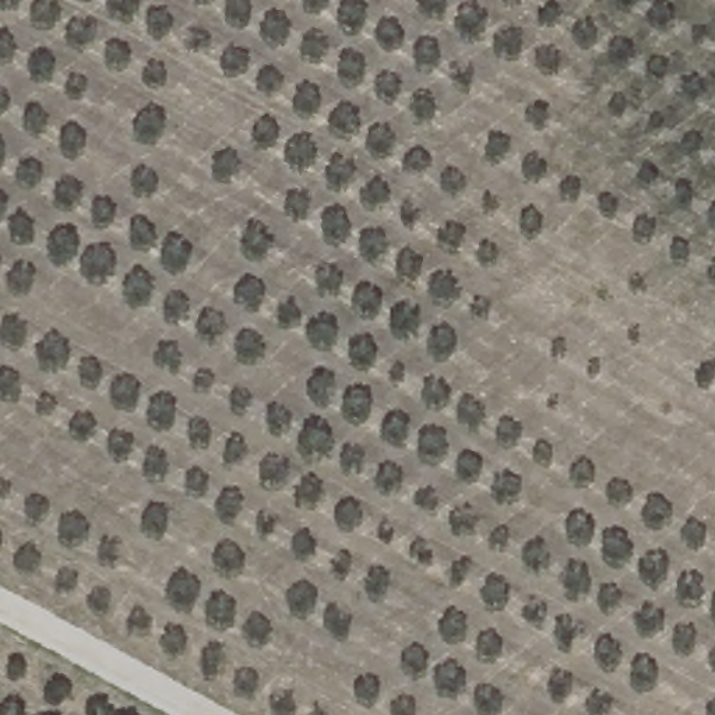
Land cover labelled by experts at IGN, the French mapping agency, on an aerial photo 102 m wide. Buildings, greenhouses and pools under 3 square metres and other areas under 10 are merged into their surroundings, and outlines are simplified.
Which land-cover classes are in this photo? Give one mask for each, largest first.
<instances>
[{"label":"plowed land","instance_id":"1","mask_svg":"<svg viewBox=\"0 0 715 715\"><path fill-rule=\"evenodd\" d=\"M34 0H0V134L6 140L8 159L22 162L34 156L42 162V179L36 187L22 184L17 176H3L0 170V324L11 313L25 321L22 346H8L0 338V366H11L20 371V399H0V587L25 600L39 603L56 617L89 631L92 637L165 673L182 687L201 693L204 698L215 701L218 707L235 715H480L475 707L478 684H494L503 693V709L497 715H589L587 698L598 690L612 695V709L606 715H715V547L709 542H701L698 547H690L681 536V528L690 517L709 522L715 517V263H709L704 254L673 260L670 237L662 232L651 240H634V218L651 215L654 207L673 198L676 184L651 182L642 187L637 179L640 168L634 162L609 168V156L620 151V145L626 142L623 131L634 120H648L656 109L651 106V101H642L637 109L612 115L609 101L614 92L626 89V84L617 75H612L606 84H600V89H587L584 81L592 73V61L609 50V42L614 36H631L634 56L642 61H648V56L654 53L668 56V75H676L679 81L690 73L709 75L715 70V53L709 56L698 39H693V28L687 22L673 20L668 28H656L654 22H648V17H640L634 8L620 11L614 0H478L486 8V25L478 39H466L458 31L455 20L458 6L466 0H366L363 28L355 31L338 22L341 0H251L249 22L235 25L226 17V0H140L131 20H117L106 6L109 0H59L61 14L53 22V28H36L31 22ZM151 6H168V11L173 14V28L159 39L148 31L145 22ZM274 8L285 11L290 20V31L282 45H274L260 34L263 17ZM73 17H95V39L87 47H75L64 36L67 22ZM383 17H394L405 28V36L394 50L383 47L374 36L377 22ZM581 17H592L598 31V39L584 47L573 39V25ZM511 25L522 31V50L517 59L500 56L494 50V34ZM313 28H321L327 34V53L321 56V61H313L302 53V39ZM419 36L438 39L441 59L436 67L413 61V45ZM109 39H126L131 45V59L126 67L106 64L103 53ZM229 45L249 47V67L237 75H226L221 67V53ZM545 45L561 53L559 73H545L536 67L533 56ZM36 47L53 50L56 67L50 81H36L28 70V59ZM346 47L360 50L366 59V73L360 84L341 81L338 75V59ZM151 59L165 61V84H145L142 70ZM265 64H277L282 73V84L277 92H263L257 87V73ZM383 70H394L402 78V89L394 101L380 98L374 89L377 73ZM302 81H313L321 89V106L316 109V115H299L293 109V95ZM419 89L433 92L436 112L430 120H419L411 109V101ZM31 101L42 103V109L47 112V126L42 134H31L22 123V112ZM344 101L360 106V126L355 134L346 137L327 126L332 109ZM148 103L165 106V131L156 137V142H140L134 134V117ZM263 115H274L279 123V137L271 148L257 145L251 137V128ZM64 123H78L87 131V145L78 156L61 154L59 131ZM374 123H388L394 128V148L388 156H377L366 145L369 128ZM302 131L313 134L316 159L307 168H293L285 159V148L290 137ZM492 131H503L511 137V148L500 162L486 159V142ZM413 145H425L430 151V165L425 170H408L402 165L405 151ZM221 148H235L240 156V170L226 182H218L212 173V156ZM533 151L547 162V173L542 179H528L522 170V159ZM332 154H344L358 165L352 182L341 190L330 187L327 182V165ZM137 165H148L159 176V184L151 196H137L131 187V170ZM450 165L458 168L466 179V187L458 196L447 193L438 182L441 170ZM64 176H75L84 184L78 204L70 209L59 207L53 198L56 182ZM374 176H383L391 190L388 201H383L380 207H371L360 198V190ZM288 190H307L310 209L324 212L327 207L344 204L349 212L346 240L327 243L324 235L316 237V232H310L304 221L288 215ZM95 196H112L117 204L115 221L109 226L92 223ZM522 207H536L542 212V232L533 237H525L519 229ZM17 209H25L34 218L31 243H20L8 232V221ZM134 215H145L156 223V237L151 249L131 246L128 223ZM249 221L265 223L274 235V246L260 260L243 254L240 237ZM447 221H458L466 226V235L458 249L438 243V229ZM59 223H73L78 232L73 260L64 265H56L47 251L50 229ZM369 226H383L388 237V249L377 260H366L360 251V232ZM168 232H179L193 243L190 263L182 271H168L159 260ZM103 240H109L117 254L115 271L106 279H87L81 271L84 251L89 243ZM408 246L422 254V271L416 279L397 271V254ZM17 260H31L36 265V277L28 293H14L6 282ZM321 263L341 265L344 285L338 288V293L318 290L316 268ZM134 265H145L154 277L151 299L140 307L128 304L123 296V279ZM436 271H452V277L458 279L455 299L430 296L427 285ZM246 274H254L265 282V296L257 310H249L243 302L235 299V285ZM358 282H374L383 288L377 316H369L352 304ZM170 290H184L190 299V307L179 321H168L162 310L165 296ZM399 302L419 307V327L408 338H397L391 330V307ZM204 307L223 310L226 316V330L215 341L201 338L196 330L198 313ZM318 313H332L338 321V338L330 349H316L307 338V324ZM436 324H450L455 330V352L444 360L433 358L427 346L430 330ZM50 330H59L70 341V358L56 371H45L36 358V344ZM240 330H254L265 341V352L254 363H243L235 352V338ZM360 332H371L377 344V358L369 369H358L349 360V341ZM159 341L179 344V371H170L154 360ZM89 355L101 360V380L95 388H87L78 377V366ZM318 366L335 371L327 405L313 402L307 394V377ZM117 374H134L140 380L137 405L128 411L115 408L109 397L112 380ZM425 377H441L450 383V399L444 402V408L425 402ZM355 383L371 385V411L366 422H349L341 411L344 391ZM159 391H170L176 397V416L168 430H156L148 422V402ZM464 394H472L483 402L486 416L478 427H466L458 419V402ZM268 402L290 408V425L282 433L268 430ZM78 411H89L95 416V433L89 438H75L70 430V416ZM388 411H405L411 416L408 436L402 444H391L380 433L383 416ZM196 416L209 422L207 447H196L187 436V425ZM307 416H321L330 422L332 447L327 455H302L299 430ZM503 416H514L522 427V436L511 447H503L497 441V422ZM425 425H441L447 430L444 458L419 455V430ZM112 430H128L134 436V447L123 461H117L109 452L106 441ZM232 433H240L246 438V455L237 464L223 461V447ZM344 444H360V447H363V466H360V469H352V472H346V469L341 466V450H344ZM151 447L165 450L168 475L145 478L142 461ZM461 450H475L483 458L480 475L475 480H461L455 472ZM268 452H279L290 461V472L282 483L260 478V464ZM581 455L592 458L595 464V478L587 486H575V480L570 478V464ZM383 461H397L402 466V486L397 492L377 489L374 475ZM193 466H201L209 475L204 494H196L184 486L187 469ZM506 469L519 475V494L511 503L494 500L492 492L494 475ZM313 472L321 478V500L316 506H299L293 497L296 486L304 475ZM612 478H623L631 483L628 503H612L606 497V486ZM223 486H237L243 492L240 514L232 522H223L215 508ZM654 492L665 494L673 506V514L662 522V528H648L642 519V506ZM28 494L47 497V511L36 525H28L25 517ZM341 497L360 500L363 519L352 531H341L335 522V503ZM151 500L168 506V528L162 536H148L142 531V508ZM461 503H472V533H452L450 528V511ZM573 508H584L595 519L592 539L587 545H575L567 536L564 522ZM67 511H81L89 519V533L78 545L59 542V517ZM612 525L626 528L634 545L631 556L620 567H612L603 559V531ZM302 528H307L316 536V553L307 559H296L290 547L293 533ZM101 536H115V539H117V545H120V547H117V564H101V561H98V545H101ZM536 536L545 539L550 564L542 570H528L522 561V547ZM221 539L237 542L243 547L246 564L240 573L223 575L215 567L212 550ZM25 542L36 545V550L42 553V561L34 573H20L14 567V553ZM654 547L668 550L670 559L668 575L656 587L645 584L640 575V559ZM573 559L589 564V589L575 600L567 598L561 581L564 567ZM374 564L388 570V589L383 598H371L366 592V575ZM176 570H187L201 581L193 609H176L168 600V581ZM684 570L701 573L698 600H679L676 595V584ZM489 575H503L508 581V603L497 612H492L480 595ZM296 581H310L316 587L313 609L299 617L288 606V589ZM600 584H617L623 589V600L609 612L598 606ZM215 589L235 598V617L226 628L207 623V600ZM330 603H335L344 614L352 617L349 634L341 640L332 637L324 626V612ZM642 603L665 609V623L654 634H640L634 623V614L642 609ZM450 606L466 612V634L461 642H447L438 631V620ZM254 612L271 620V634L265 645L251 642L243 634L246 620ZM559 614H570L575 620H584L587 626V631L573 640L570 651H561L556 640ZM168 623L184 626L187 631V648L182 654H165L162 648V634ZM681 623L695 626V648L690 654H676L673 648V628ZM486 628H494L503 637V651L494 662L489 656H480L475 648L478 634ZM600 634H612L620 642V662L612 670L600 668V662L595 659V640ZM207 642L223 645V662L218 668V676H204L201 670V651ZM411 642H422L430 654L422 676H411L402 668L399 656L402 648ZM637 654H651L659 665V676L651 690H634L631 684V659ZM444 659H458L466 670V681L458 695H441L436 690V665H441ZM237 668L257 670L260 687L254 690V695H237ZM556 668L573 673V690L561 701H556L547 687V679ZM360 673L380 676V695L369 707L360 704L355 695V679ZM56 673H64L73 687L70 698L61 701V715H87V698L98 693H106L112 707H137L140 715H168L148 701H140L134 693L64 659L59 651L20 634L17 628L0 626V701H3L6 695H22V698H25V712H34V715H36L47 709L45 681Z\"/></svg>","mask_w":715,"mask_h":715},{"label":"deciduous trees","instance_id":"2","mask_svg":"<svg viewBox=\"0 0 715 715\"><path fill-rule=\"evenodd\" d=\"M61 14L59 0H34L31 22L36 28H53V22ZM106 6L117 20H131L140 0H109ZM226 17L235 25L249 22L251 0H226ZM366 0H341L338 22L355 31L363 28ZM458 31L466 39H478L486 25V8L478 0H466L458 6L455 20ZM620 11L634 8L640 17H648V22H654L656 28H668L673 20L687 22L693 28V39H698L709 56L715 53V0H614ZM145 22L148 31L159 39L173 28V14L168 11V6H151ZM290 31V20L285 11L274 8L263 17L260 34L274 45H282ZM64 36L75 47H87L95 39V17H73L67 22ZM374 36L383 47L394 50L405 36V28L394 17H383L377 22ZM573 39L584 47L598 39V31L592 17H581L573 25ZM494 50L500 56L517 59L522 50V31L511 25L494 34ZM302 53L313 61H321V56L327 53V34L321 28H313L302 39ZM441 59L438 39L419 36L413 45V61L436 67ZM612 75H617L626 84V89L614 92L609 101L612 115L637 109L642 101H651V106L656 109L648 120H634L623 131L626 142L620 145V151L609 156V168L634 162L640 168L637 179L642 187L651 182L676 184L673 198L654 207L651 215L634 218V240H651L662 232L670 237L673 260L704 254L709 263H715V70L709 75L690 73L679 81L676 75H668V56L654 53L648 56V61H642L634 56L631 36H614L609 42V50L592 61V73L584 81L587 89H600V84H606ZM106 64L126 67L131 59V45L126 39H109L103 53ZM221 67L226 75H237L249 67V47L229 45L221 53ZM536 67L545 73H559L561 53L545 45L533 56ZM56 67L53 50L36 47L28 59V70L36 81H50ZM366 73V59L360 50L346 47L338 59V75L341 81L360 84ZM145 84H165V61L151 59L142 70ZM282 84V73L277 64H265L257 73V87L263 92H277ZM374 89L380 98L394 101L402 89V78L394 70H383L377 73ZM321 106V89L313 81H302L293 95V109L299 115H316V109ZM411 109L419 120H430L436 112L433 92L419 89L411 101ZM22 123L31 134H42L47 126V112L42 109V103L31 101L22 112ZM327 126L346 137L355 134L360 126V106L344 101L332 109ZM165 131V106L148 103L134 117V134L140 142H156V137ZM251 137L257 145L271 148L279 137V123L274 115H263L251 128ZM61 154L78 156L87 145V131L78 123H64L59 131ZM366 145L377 156H388L394 148V128L388 123H374L369 128ZM285 159L293 168H307L316 159L313 134L302 131L290 137L285 148ZM511 148V137L503 131H492L486 142V159L500 162ZM0 170L3 176H17L22 184L36 187L42 179V162L34 156L22 162L8 159L6 140L0 134ZM402 165L408 170H425L430 165V151L425 145H413L405 151ZM240 170V156L235 148H221L212 156V173L218 182H226ZM522 170L528 179H542L547 173V162L533 151L522 159ZM358 165L344 154H332L327 165V182L330 187L341 190L352 182ZM159 184V176L148 165H137L131 170V187L137 196H151ZM438 182L447 193L458 196L466 187V179L458 168L450 165L441 170ZM84 184L75 176H64L56 182L53 198L59 207L70 209L78 204ZM391 190L383 176H374L360 190V198L371 207H380L383 201H388ZM288 215L304 221L310 232H316V237L324 235L327 243L346 240L349 212L344 204L327 207L324 212L310 209L307 190H288ZM117 204L112 196H95L92 223L109 226L115 221ZM519 229L525 237H533L542 232V212L536 207H522ZM8 232L20 243H31L34 218L25 209H17L8 221ZM131 246L151 249L156 237V223L145 215H134L128 223ZM243 254L260 260L274 246V235L265 223L249 221L240 237ZM466 235V226L458 221H447L438 229V243L458 249ZM78 232L73 223H59L50 229L47 251L56 265H64L73 260ZM388 249V237L383 226H369L360 232V251L366 260H377ZM193 243L179 232H168L159 260L168 271H182L190 263ZM117 254L109 240H103L89 243L84 251L81 271L87 279H106L115 271ZM397 271L416 279L422 271V254L408 246L397 254ZM36 277V265L31 260H17L6 282L14 293H28ZM318 290L338 293V288L344 285L341 265L321 263L316 268ZM154 277L145 265H134L123 279V296L128 304L140 307L151 299ZM430 296L455 299L458 279L452 277V271H436L427 285ZM265 296V282L254 274H246L235 285V299L243 302L249 310H257ZM383 288L374 282H358L352 304L369 316H377ZM190 307V299L184 290H170L165 296L162 310L168 321H179ZM419 327V307L399 302L391 307V330L397 338H408ZM196 330L201 338L215 341L226 330V316L223 310L204 307L198 313ZM0 338L8 346H22L25 321L11 313L0 324ZM307 338L316 349H330L338 338V321L332 313H318L307 324ZM427 346L433 358L444 360L455 352V330L450 324H436L430 330ZM36 358L45 371H56L70 358V341L59 330H50L36 344ZM235 352L243 363H254L265 352V341L254 330H240L235 338ZM377 358V344L371 332H360L349 341V360L358 369H369ZM154 360L170 371H179V344L159 341ZM78 377L87 388H95L101 380V360L89 355L78 366ZM0 399H20V371L11 366H0ZM335 371L318 366L307 377V394L313 402L327 405ZM109 397L115 408L128 411L137 405L140 380L134 374H117L112 380ZM425 402L444 408V402L450 399V383L441 377H425ZM341 411L349 422H366L371 411V385L355 383L344 391ZM176 416V397L170 391H159L148 402V422L156 430H168ZM486 416L483 402L472 394H464L458 402V419L466 427H478ZM268 430L282 433L290 425V408L268 402ZM70 430L75 438H89L95 433V416L89 411H78L70 416ZM411 416L405 411H388L383 416L380 433L391 444H402L408 436ZM187 436L196 447H207L209 422L196 416L187 425ZM332 447L330 422L321 416H307L299 430L302 455H327ZM522 436V427L514 416H503L497 422V441L503 447H511ZM419 455L444 458L447 430L441 425H425L419 430ZM109 452L117 461H123L134 447V436L128 430H112L106 441ZM246 455V438L240 433H232L223 447V461L237 464ZM341 466L346 469V472H352V469H360V466H363V447H360V444H344V450H341ZM145 478L168 475L165 450L151 447L142 461ZM483 458L475 450H461L455 472L461 480H475L480 475ZM290 472V461L279 452H268L260 464V478L282 483ZM570 478L575 480V486H587L595 478V464L592 458L581 455L570 464ZM377 489L397 492L402 486V466L397 461H383L374 475ZM209 475L201 466H193L187 469L184 486L196 494H204ZM492 492L494 500L511 503L519 494V475L506 469L494 475ZM293 497L299 506H316L321 500V478L313 472L304 475L296 486ZM606 497L612 503H628L631 483L623 478H612L606 486ZM243 492L237 486H223L215 508L223 522H232L240 514ZM673 514V506L665 494L654 492L642 506V519L648 528H662V522ZM47 511V497L28 494L25 517L28 525H36ZM363 519L360 500L341 497L335 503V522L341 531H352ZM168 528V506L151 500L142 508V531L148 536H162ZM472 503H461L450 511V528L452 533H472ZM567 536L575 545H587L592 539L595 519L584 508H573L564 522ZM89 533V519L81 511H67L59 517V542L78 545ZM681 536L690 547H698L701 542H709L715 547V517L709 522L690 517L681 528ZM634 545L626 528L612 525L603 531V559L612 567H620L631 556ZM290 547L296 559H307L316 553V536L307 528H302L293 533ZM117 547H120V545H117V539H115V536H101V545H98V561H101V564H117ZM522 561L528 570H542L550 564L545 539L536 536L522 547ZM215 567L223 575L240 573L246 564L243 547L237 542L221 539L212 550ZM42 561V553L36 550V545L25 542L14 553V567L20 573H34ZM670 559L668 550L654 547L640 559V575L645 584L656 587L668 575ZM561 581L567 598L575 600L589 589V564L573 559L564 567ZM388 589V570L374 564L366 575V592L371 598H383ZM201 581L187 570H176L168 581V600L176 609H193ZM676 595L679 600H698L701 573L684 570L676 584ZM480 595L492 612H497L508 603V581L503 575H489ZM316 587L310 581H296L288 589V606L299 617L313 609ZM623 600V589L617 584H600L598 606L609 612ZM235 617V598L215 589L207 600V623L226 628ZM324 626L332 637L341 640L349 634L352 617L344 614L335 603H330L324 612ZM634 623L640 634H654L665 623V609L642 603V609L634 614ZM438 631L447 642H461L466 634V612L450 606L438 620ZM243 634L251 642L265 645L271 634V620L254 612L246 620ZM587 631V626L584 620H575L570 614H559L556 640L561 651H570L573 640ZM162 648L165 654H182L187 648V631L184 626L168 623L162 634ZM673 648L676 654H690L695 648V626L681 623L673 628ZM475 648L480 656H489L494 662L503 651V637L494 628H486L478 634ZM595 659L600 662V668L612 670L620 662V642L612 634H600L595 640ZM223 662V645L207 642L201 651V670L204 676H218V668ZM430 654L422 642H411L402 648L399 656L402 668L411 676H422ZM659 676V665L651 654H637L631 659V684L634 690H651ZM436 690L441 695H458L466 681V670L458 659H444L441 665H436ZM260 687L257 670L237 668V695H254V690ZM547 687L556 701H561L573 690V673L556 668L547 679ZM73 687L64 673H56L45 681L47 709L36 715H61V701L70 698ZM355 695L360 704L369 707L380 695V676L360 673L355 679ZM475 707L480 715H497L503 709V693L494 684H478ZM589 715H606L612 709V695L598 690L587 698ZM87 715H140L137 707H112L106 693H98L87 698ZM0 715H34V712H25V698H22V695H6L3 701H0Z\"/></svg>","mask_w":715,"mask_h":715},{"label":"pervious surface","instance_id":"3","mask_svg":"<svg viewBox=\"0 0 715 715\"><path fill-rule=\"evenodd\" d=\"M0 626L17 628L20 634L59 651L64 659L134 693L140 701H148L168 715H235L218 707L215 701L204 698L201 693L182 687L165 673L92 637L89 631L56 617L39 603L25 600L0 587Z\"/></svg>","mask_w":715,"mask_h":715}]
</instances>
